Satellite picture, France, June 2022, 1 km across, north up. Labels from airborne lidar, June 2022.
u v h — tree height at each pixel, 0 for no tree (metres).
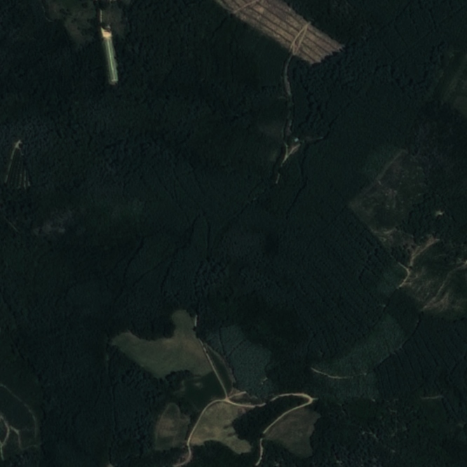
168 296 19
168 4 17
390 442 13
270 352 10
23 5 17
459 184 18
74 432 15
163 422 0
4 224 12
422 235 17
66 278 14
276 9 0
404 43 19
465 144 17
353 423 17
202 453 11
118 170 27
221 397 0
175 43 21
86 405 15
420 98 32
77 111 14
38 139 20
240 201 20
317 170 19
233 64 11
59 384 14
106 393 14
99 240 13
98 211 7
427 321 24
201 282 28
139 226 9
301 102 15
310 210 22
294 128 12
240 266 8
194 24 17
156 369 0
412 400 15
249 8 0
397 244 0
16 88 27
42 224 6
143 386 33
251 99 23
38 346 18
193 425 6
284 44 0
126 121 16
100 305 18
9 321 22
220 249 16
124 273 10
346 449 10
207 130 16
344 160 17
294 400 9
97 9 7
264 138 6
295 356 15
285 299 16
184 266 22
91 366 17
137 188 18
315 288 21
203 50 17
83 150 23
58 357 17
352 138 18
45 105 14
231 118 10
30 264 13
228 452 7
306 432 0
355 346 12
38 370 11
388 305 10
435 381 17
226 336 12
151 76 22
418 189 0
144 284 17
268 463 12
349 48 15
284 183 7
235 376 11
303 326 22
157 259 19
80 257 17
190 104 21
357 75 30
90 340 16
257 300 10
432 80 25
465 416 18
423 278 0
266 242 14
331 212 18
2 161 23
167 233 17
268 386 11
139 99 24
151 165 19
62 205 9
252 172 8
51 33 15
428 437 12
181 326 0
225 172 15
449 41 20
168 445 0
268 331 11
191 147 17
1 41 14
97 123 12
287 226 18
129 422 18
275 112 5
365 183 17
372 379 14
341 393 11
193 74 12
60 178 26
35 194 19
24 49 18
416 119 14
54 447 14
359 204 0
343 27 9
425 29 18
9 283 13
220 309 12
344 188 18
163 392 6
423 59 20
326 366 11
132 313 16
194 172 18
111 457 13
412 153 13
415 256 0
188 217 20
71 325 19
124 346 0
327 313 20
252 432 19
